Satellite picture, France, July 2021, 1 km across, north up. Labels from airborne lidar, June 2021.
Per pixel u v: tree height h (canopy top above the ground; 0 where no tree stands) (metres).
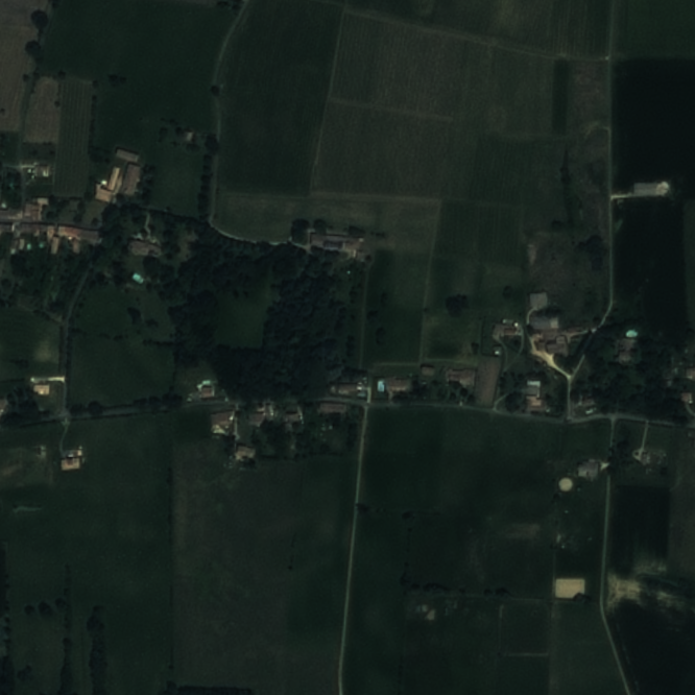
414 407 0
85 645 0
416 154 0
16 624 0
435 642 0
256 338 0
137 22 0
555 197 0
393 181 0
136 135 0
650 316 0
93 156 7
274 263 11
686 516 0
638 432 0
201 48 0
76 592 0
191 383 0
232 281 16
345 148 0
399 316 0
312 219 0
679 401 8
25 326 0
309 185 0
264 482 0
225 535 0
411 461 0
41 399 0
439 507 0
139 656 0
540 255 0
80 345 0
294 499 0
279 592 0
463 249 0
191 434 0
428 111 0
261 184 0
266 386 25
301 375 25
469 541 0
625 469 9
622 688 0
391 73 0
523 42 0
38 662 0
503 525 0
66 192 0
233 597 0
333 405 0
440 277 0
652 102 0
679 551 0
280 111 0
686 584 7
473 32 0
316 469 0
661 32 0
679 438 0
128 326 0
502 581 0
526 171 0
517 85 0
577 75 0
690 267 0
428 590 14
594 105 0
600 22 0
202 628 0
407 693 0
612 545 0
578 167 0
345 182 0
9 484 0
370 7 0
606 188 0
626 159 0
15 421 20
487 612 0
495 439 0
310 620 0
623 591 0
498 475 0
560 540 0
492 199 0
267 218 0
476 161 0
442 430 0
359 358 0
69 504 0
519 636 0
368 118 0
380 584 0
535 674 0
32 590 0
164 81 0
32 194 0
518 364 0
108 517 0
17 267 15
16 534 0
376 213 0
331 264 11
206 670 0
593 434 0
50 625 0
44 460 0
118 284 24
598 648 0
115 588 0
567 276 0
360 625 0
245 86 0
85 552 0
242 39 0
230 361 16
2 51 0
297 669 0
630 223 0
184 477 0
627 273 0
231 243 15
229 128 0
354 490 0
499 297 0
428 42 0
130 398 0
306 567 0
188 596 0
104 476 0
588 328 0
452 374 0
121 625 0
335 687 0
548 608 0
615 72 0
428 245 0
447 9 0
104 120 0
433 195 0
